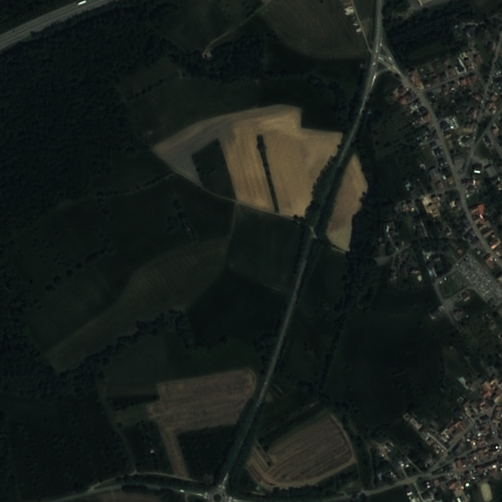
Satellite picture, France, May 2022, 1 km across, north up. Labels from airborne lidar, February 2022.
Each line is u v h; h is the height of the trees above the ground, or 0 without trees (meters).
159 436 0
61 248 0
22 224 22
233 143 0
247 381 0
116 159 0
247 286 0
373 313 0
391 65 0
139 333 9
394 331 0
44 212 21
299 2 0
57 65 26
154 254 0
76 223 0
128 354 0
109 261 0
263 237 0
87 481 0
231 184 0
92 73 25
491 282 0
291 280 0
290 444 0
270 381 0
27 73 27
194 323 0
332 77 0
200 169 7
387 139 0
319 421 0
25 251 0
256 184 0
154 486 0
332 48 0
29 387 26
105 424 0
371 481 0
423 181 0
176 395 0
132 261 0
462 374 0
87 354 0
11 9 29
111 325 0
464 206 0
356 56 0
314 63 0
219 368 0
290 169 0
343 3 0
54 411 0
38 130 27
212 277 0
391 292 0
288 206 0
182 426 0
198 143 0
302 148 0
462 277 0
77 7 0
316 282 0
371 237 22
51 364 0
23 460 0
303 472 0
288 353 0
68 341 0
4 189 27
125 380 0
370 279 24
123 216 0
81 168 23
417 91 0
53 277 0
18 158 28
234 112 0
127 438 0
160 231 0
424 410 0
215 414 0
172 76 0
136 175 0
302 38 0
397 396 0
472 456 0
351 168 0
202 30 0
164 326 18
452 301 0
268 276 0
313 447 0
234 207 0
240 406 0
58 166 22
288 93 0
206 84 0
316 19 0
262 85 0
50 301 0
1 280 23
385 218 0
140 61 24
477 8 0
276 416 0
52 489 0
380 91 0
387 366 0
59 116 28
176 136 0
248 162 0
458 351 0
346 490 0
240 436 20
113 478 0
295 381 8
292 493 12
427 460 0
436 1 0
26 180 25
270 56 0
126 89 0
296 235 0
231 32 0
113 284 0
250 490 0
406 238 0
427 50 0
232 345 0
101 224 0
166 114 0
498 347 9
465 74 0
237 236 0
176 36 0
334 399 0
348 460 0
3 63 23
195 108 0
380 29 0
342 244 0
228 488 0
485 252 0
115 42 27
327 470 0
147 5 12
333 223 0
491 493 0
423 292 0
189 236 9
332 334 0
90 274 0
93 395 0
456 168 0
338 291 0
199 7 0
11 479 16
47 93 24
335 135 0
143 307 0
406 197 0
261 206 0
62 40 25
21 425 9
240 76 18
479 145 0
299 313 0
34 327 0
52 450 0
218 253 0
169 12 10
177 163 0
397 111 0
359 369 0
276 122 0
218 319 0
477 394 0
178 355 0
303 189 0
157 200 0
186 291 0
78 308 0
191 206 0
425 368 0
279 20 0
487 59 0
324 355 0
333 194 13
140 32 22
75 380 19
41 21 0
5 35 0
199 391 0
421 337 0
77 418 0
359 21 0
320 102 0
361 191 0
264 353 19
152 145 0
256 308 0
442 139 0
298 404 0
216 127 0
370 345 0
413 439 0
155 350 0
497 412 0
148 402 0
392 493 0
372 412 0
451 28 11
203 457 0
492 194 11
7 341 24
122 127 21
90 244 0
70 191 24
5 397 0
